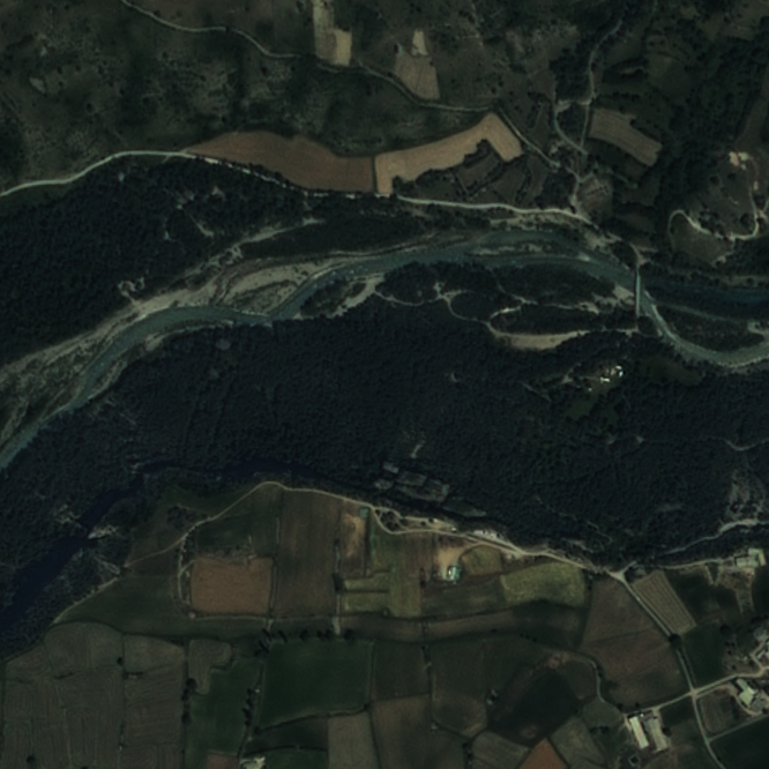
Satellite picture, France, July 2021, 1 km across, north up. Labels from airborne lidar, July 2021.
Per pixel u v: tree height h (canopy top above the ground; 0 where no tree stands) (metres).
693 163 11
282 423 12
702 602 0
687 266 15
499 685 0
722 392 15
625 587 0
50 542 12
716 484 10
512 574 0
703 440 11
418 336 14
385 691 0
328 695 0
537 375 9
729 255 7
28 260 19
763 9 0
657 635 0
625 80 13
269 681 0
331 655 0
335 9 0
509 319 10
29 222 15
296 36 0
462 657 0
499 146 0
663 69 0
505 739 0
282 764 0
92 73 0
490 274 12
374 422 16
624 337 12
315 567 0
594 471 11
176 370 11
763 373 7
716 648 0
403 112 0
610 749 0
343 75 7
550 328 12
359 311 12
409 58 0
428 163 0
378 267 0
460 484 12
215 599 0
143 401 11
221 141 0
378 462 16
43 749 0
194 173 10
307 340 12
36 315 16
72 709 0
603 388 0
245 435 20
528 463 12
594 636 0
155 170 9
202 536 0
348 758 0
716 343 6
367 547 0
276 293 0
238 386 15
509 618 0
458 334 15
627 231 11
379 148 0
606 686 0
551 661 0
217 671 0
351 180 0
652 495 8
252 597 0
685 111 16
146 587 0
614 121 0
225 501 0
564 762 0
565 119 8
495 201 0
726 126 6
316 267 0
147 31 0
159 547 0
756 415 9
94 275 10
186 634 0
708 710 0
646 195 0
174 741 0
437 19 0
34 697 0
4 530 13
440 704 0
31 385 0
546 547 0
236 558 0
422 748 0
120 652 0
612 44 7
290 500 0
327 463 17
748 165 0
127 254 12
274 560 0
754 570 0
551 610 0
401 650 0
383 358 19
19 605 12
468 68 0
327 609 0
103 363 0
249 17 0
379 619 0
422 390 8
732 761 0
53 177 0
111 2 0
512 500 13
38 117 0
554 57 0
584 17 7
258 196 18
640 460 12
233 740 0
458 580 0
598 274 0
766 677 0
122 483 7
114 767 0
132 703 0
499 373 14
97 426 8
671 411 13
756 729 0
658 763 0
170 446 7
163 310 0
